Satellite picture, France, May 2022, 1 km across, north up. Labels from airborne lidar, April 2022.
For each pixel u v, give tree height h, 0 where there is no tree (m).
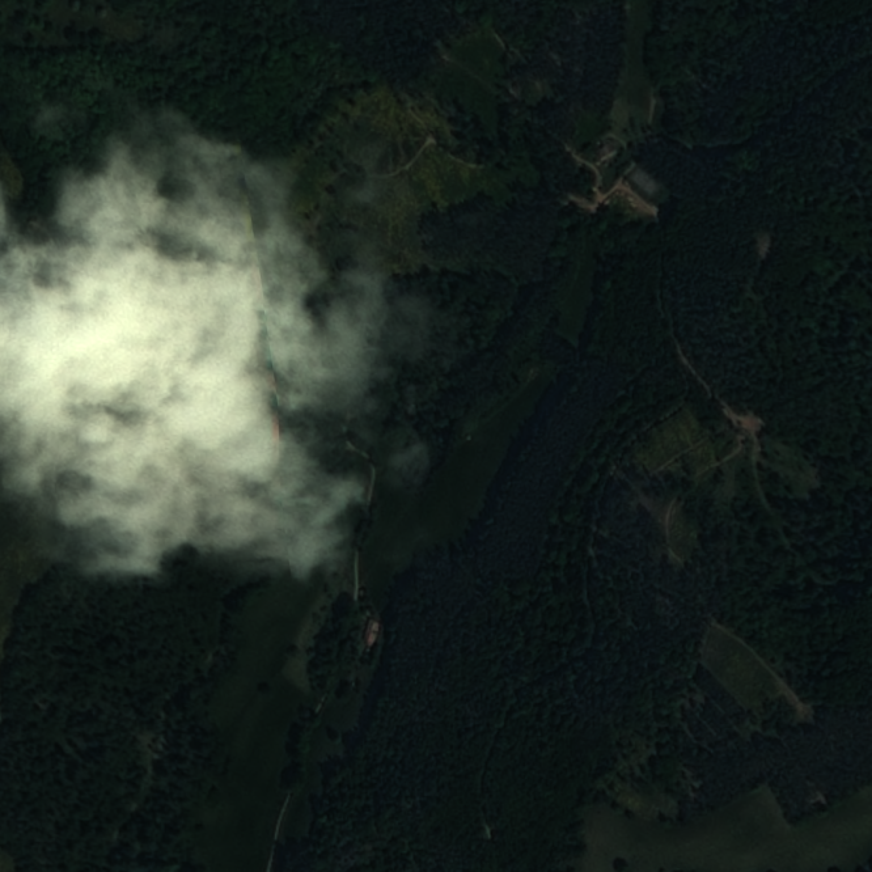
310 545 0
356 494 0
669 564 21
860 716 26
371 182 0
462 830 10
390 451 0
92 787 20
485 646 16
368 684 0
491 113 0
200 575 18
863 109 21
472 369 29
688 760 18
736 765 25
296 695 0
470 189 0
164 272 26
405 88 17
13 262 0
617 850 0
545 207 30
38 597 21
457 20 22
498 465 0
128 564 17
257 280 0
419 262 0
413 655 20
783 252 11
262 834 0
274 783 0
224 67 7
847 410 17
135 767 24
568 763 12
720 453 0
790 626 23
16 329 36
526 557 21
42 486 0
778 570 28
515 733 15
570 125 26
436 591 25
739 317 17
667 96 22
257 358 0
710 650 0
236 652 18
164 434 17
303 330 22
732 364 23
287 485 21
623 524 18
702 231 17
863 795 0
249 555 21
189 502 19
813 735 23
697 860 0
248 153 14
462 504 0
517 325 31
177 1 17
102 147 12
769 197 14
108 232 11
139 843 37
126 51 13
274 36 18
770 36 31
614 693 22
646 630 17
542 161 22
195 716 34
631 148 12
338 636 9
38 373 28
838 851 0
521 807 13
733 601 25
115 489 14
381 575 0
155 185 16
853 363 15
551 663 16
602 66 25
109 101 15
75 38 15
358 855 9
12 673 23
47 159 21
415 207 0
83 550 20
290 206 0
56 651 23
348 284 24
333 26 23
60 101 8
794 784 26
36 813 28
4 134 14
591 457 8
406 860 19
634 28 0
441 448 35
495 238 29
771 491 6
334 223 0
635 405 13
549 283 30
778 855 0
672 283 34
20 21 17
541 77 24
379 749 17
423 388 23
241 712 0
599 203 0
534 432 19
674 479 18
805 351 21
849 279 21
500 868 11
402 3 22
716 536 22
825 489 14
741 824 0
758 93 28
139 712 31
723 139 29
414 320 21
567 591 9
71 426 26
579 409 25
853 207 14
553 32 28
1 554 0
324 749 0
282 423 26
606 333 18
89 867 18
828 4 14
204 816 0
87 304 30
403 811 12
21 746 9
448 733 15
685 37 17
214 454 21
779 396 20
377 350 25
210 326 15
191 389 8
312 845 15
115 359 26
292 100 11
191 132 14
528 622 13
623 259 20
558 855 10
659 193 0
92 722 23
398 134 0
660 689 18
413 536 0
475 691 17
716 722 19
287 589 0
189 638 14
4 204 0
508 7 26
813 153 23
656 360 16
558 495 14
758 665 0
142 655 26
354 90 11
